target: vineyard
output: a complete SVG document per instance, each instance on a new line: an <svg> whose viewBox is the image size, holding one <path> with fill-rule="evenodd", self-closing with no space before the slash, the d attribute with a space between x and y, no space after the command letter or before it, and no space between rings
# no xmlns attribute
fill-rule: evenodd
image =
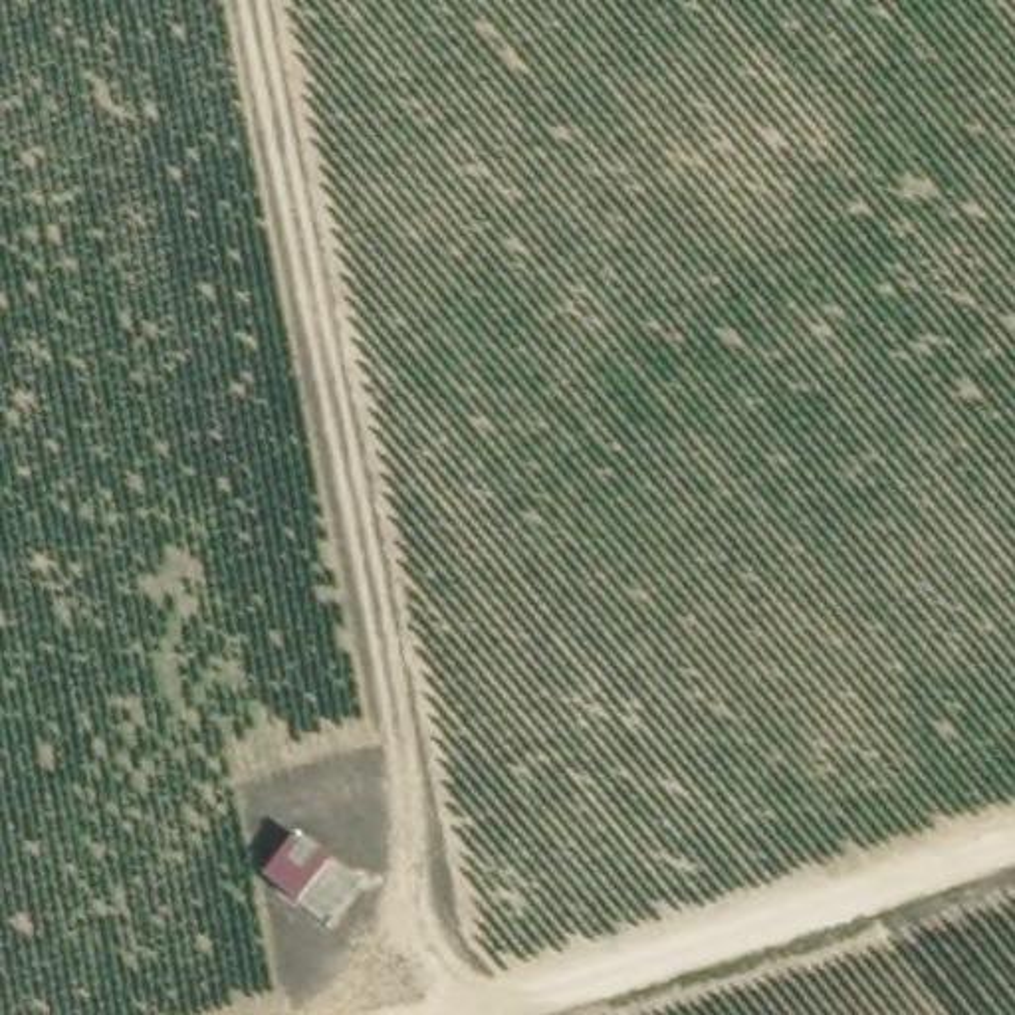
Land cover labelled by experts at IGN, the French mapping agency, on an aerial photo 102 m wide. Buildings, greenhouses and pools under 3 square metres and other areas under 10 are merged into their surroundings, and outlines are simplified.
<svg viewBox="0 0 1015 1015"><path fill-rule="evenodd" d="M710 904L737 888L773 884L777 876L801 864L841 856L845 845L872 848L892 837L924 833L936 825L936 817L959 817L1015 801L1015 0L289 0L289 24L301 44L297 56L309 71L313 135L345 262L361 373L377 404L373 416L381 460L389 472L389 504L396 511L404 575L412 579L408 619L412 634L420 638L420 658L428 666L432 686L432 714L420 718L416 702L408 698L408 722L424 797L432 908L452 952L476 975L500 975L515 956L531 959L543 948L563 948L571 936L595 940L615 936L622 924L658 920L658 904Z"/></svg>
<svg viewBox="0 0 1015 1015"><path fill-rule="evenodd" d="M329 753L385 749L381 710L361 718L353 662L337 646L341 607L317 599L317 587L333 587L333 571L321 559L325 535L317 511L317 480L270 242L262 230L262 198L250 163L246 119L238 107L222 0L0 0L0 1015L234 1015L230 995L266 991L270 971L254 912L254 845L242 841L238 829L234 785Z"/></svg>
<svg viewBox="0 0 1015 1015"><path fill-rule="evenodd" d="M706 963L694 971L654 979L646 987L619 991L611 999L599 999L587 1015L1015 1015L1015 864L904 900L896 908L856 916L848 924L817 928L785 944L769 944L722 963Z"/></svg>

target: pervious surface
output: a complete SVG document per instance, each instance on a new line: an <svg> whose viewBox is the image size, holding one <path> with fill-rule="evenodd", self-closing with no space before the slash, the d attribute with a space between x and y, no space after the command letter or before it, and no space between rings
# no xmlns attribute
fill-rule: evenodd
<svg viewBox="0 0 1015 1015"><path fill-rule="evenodd" d="M389 872L389 892L381 896L377 924L349 940L349 952L333 959L333 979L309 995L309 1007L317 1015L587 1015L599 999L611 999L619 991L646 987L654 979L694 971L706 963L722 963L769 944L785 944L817 928L848 924L856 916L896 908L904 900L1015 864L1015 801L959 817L936 817L936 825L924 833L892 837L872 848L845 845L841 856L801 864L777 876L773 884L737 888L710 904L658 904L658 920L622 924L615 936L595 940L571 936L563 948L543 948L531 959L515 956L500 975L476 975L452 952L432 908L424 797L408 722L408 698L416 702L420 718L432 714L432 686L428 666L420 658L420 638L412 634L408 619L412 579L404 575L396 511L389 504L389 472L381 460L373 416L377 404L361 373L345 262L313 135L309 71L297 56L301 44L289 24L289 0L222 0L238 107L246 119L250 163L262 198L262 230L270 242L317 480L317 511L325 535L321 559L333 571L333 587L317 587L317 599L341 607L337 646L353 662L361 718L381 710L385 749Z"/></svg>

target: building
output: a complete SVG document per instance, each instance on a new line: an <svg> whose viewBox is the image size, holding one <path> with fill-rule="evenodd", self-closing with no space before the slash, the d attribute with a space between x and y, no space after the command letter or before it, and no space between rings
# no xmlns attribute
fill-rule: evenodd
<svg viewBox="0 0 1015 1015"><path fill-rule="evenodd" d="M282 892L297 892L297 904L313 916L325 916L329 928L361 892L381 896L389 892L389 872L349 868L333 860L309 833L293 833L266 864L278 876Z"/></svg>

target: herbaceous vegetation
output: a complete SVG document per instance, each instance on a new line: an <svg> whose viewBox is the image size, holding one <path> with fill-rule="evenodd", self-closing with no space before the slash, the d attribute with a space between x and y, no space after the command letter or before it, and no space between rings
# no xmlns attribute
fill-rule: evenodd
<svg viewBox="0 0 1015 1015"><path fill-rule="evenodd" d="M270 971L266 991L230 995L234 1015L317 1015L309 1007L309 995L333 979L333 959L349 952L349 940L377 924L381 896L361 892L329 928L325 916L313 916L297 904L297 892L282 892L278 876L266 864L293 833L309 833L333 860L349 868L389 872L385 749L329 753L234 785L238 829L242 841L254 845L254 912Z"/></svg>

